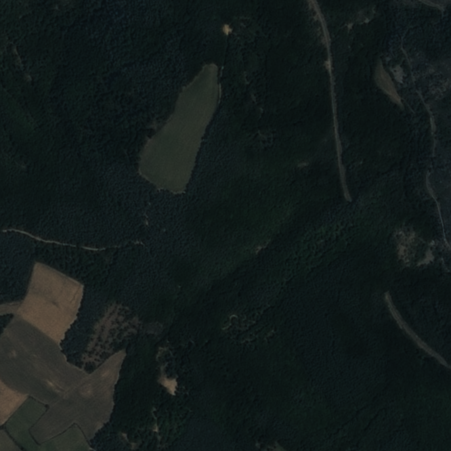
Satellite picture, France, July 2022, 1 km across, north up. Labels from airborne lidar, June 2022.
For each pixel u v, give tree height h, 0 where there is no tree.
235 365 22
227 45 13
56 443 0
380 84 0
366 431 25
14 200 16
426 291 31
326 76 12
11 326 0
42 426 0
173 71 13
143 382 26
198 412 15
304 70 14
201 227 24
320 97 23
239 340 19
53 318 0
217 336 16
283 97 11
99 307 16
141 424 10
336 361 27
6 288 13
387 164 9
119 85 21
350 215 17
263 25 8
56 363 0
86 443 0
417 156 11
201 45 16
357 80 20
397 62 14
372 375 24
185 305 19
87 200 21
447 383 21
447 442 18
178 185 0
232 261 16
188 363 20
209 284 10
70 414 0
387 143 11
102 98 9
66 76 27
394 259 16
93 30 22
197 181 18
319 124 21
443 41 10
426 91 12
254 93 18
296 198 19
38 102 7
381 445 22
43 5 14
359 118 24
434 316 20
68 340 16
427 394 16
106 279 12
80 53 21
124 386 14
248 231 21
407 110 8
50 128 21
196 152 0
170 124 0
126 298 18
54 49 22
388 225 18
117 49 22
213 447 11
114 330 9
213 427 14
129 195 20
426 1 0
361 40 15
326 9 11
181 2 21
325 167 11
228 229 25
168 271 14
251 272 33
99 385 0
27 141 20
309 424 16
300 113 23
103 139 10
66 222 23
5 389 0
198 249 17
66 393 0
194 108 0
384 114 16
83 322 16
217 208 21
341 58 14
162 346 22
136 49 24
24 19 18
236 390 22
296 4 17
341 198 24
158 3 23
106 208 20
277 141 20
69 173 19
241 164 20
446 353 23
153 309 20
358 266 22
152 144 0
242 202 22
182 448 12
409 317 19
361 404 17
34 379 0
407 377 26
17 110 16
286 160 19
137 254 15
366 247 20
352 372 28
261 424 23
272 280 15
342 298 27
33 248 13
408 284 11
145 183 17
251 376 20
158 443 11
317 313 26
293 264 15
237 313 12
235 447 16
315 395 13
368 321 21
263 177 14
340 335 16
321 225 17
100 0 23
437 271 23
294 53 14
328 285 24
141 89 21
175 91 22
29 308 0
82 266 14
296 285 20
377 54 18
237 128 22
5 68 21
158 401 15
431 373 24
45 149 17
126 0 15
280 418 16
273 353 19
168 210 24
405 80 12
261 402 21
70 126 26
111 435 13
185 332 23
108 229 20
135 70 24
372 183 20
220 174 18
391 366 26
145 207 20
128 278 17
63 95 25
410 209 20
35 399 0
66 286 0
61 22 10
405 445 23
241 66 20
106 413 0
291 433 21
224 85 13
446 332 11
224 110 24
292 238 28
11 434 0
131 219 18
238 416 13
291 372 22
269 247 17
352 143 15
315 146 19
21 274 15
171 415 20
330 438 21
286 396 14
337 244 16
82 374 0
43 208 17
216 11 17
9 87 22
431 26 18
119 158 14
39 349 0
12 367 0
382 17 14
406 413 20
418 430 20
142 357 19
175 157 0
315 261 16
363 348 24
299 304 26
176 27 20
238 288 26
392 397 25
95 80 21
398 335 35
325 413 16
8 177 17
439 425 16
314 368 28
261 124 17
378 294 11
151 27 21
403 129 19
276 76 12
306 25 11
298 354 15
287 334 17
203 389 18
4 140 16
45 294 0
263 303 23
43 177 20
